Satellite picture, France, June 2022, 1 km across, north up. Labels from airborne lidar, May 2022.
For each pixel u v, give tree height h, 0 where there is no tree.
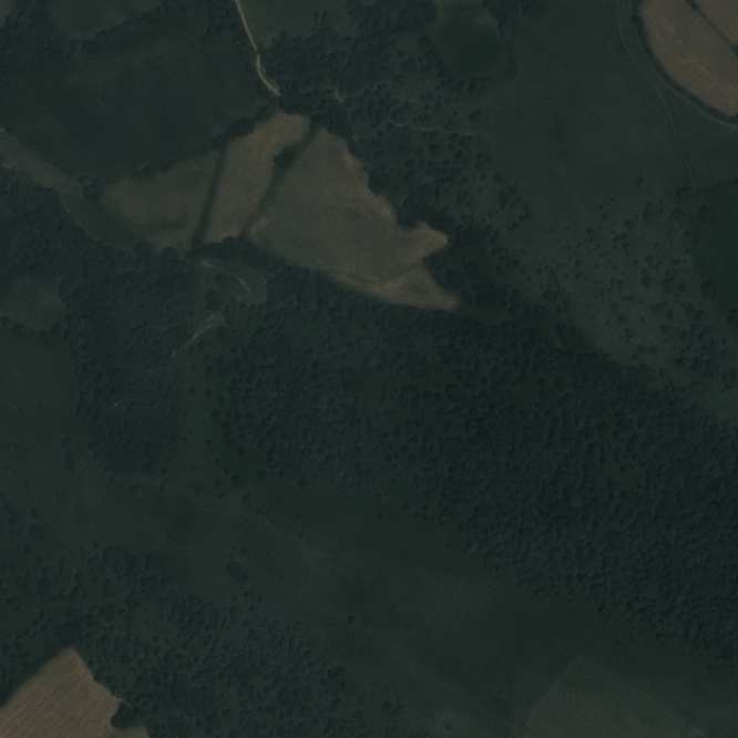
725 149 0
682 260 7
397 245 0
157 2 0
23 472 0
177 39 0
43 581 8
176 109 0
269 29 0
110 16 0
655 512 12
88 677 0
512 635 0
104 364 8
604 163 0
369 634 0
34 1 14
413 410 15
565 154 0
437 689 0
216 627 7
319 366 15
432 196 9
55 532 0
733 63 0
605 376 19
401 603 0
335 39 11
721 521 10
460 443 14
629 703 0
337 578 0
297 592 0
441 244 0
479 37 0
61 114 0
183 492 0
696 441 19
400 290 0
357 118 14
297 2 0
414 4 15
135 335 8
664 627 10
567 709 0
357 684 0
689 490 23
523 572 11
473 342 14
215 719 12
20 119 0
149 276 14
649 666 0
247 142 0
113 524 0
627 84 0
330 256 0
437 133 9
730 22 0
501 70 0
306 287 17
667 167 0
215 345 0
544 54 0
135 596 11
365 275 0
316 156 0
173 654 7
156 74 0
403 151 10
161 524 0
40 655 0
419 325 11
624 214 0
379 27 16
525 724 0
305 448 9
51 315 0
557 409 13
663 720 0
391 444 8
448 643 0
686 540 13
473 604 0
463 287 10
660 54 0
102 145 0
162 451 17
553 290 11
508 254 13
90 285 12
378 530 0
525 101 0
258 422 17
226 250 18
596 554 14
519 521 19
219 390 0
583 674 0
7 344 0
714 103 0
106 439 13
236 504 0
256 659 14
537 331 14
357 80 6
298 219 0
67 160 0
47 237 19
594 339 0
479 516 12
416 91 0
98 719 0
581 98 0
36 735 0
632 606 13
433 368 13
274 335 14
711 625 15
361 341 13
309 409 12
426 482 10
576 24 0
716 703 0
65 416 0
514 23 0
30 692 0
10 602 13
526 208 7
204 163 0
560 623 0
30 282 0
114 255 8
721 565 18
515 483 17
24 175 12
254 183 0
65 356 0
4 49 13
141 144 0
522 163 0
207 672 10
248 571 5
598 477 15
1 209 26
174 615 8
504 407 13
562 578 9
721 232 0
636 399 10
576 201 0
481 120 11
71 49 13
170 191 0
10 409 0
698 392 9
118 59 0
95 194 14
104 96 8
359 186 0
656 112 0
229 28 14
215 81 0
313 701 11
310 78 12
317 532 0
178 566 0
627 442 8
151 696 10
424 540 0
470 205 7
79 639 11
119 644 9
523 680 0
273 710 11
